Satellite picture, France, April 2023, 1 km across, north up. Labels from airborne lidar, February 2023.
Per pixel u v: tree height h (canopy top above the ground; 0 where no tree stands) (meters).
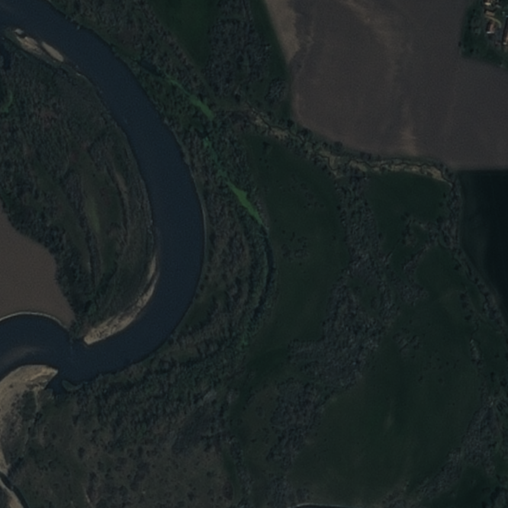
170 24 0
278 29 0
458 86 0
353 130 0
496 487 0
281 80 6
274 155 0
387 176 0
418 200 0
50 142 17
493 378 11
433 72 0
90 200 0
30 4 0
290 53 0
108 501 6
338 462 0
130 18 16
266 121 0
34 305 0
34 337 0
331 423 0
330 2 0
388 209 0
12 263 0
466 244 0
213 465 0
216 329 24
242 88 0
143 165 0
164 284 0
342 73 0
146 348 0
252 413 0
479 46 0
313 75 0
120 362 0
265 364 0
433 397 0
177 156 0
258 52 6
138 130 0
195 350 0
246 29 16
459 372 0
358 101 0
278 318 0
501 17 0
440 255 0
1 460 0
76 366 0
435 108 0
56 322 0
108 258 0
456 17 0
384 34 0
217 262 15
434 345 0
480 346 0
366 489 0
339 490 0
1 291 0
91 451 0
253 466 0
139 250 0
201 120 13
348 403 0
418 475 0
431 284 0
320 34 0
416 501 0
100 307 17
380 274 16
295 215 0
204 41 0
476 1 0
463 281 0
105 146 17
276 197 0
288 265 0
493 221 0
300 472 0
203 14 0
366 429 0
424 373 0
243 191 12
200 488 0
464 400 0
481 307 0
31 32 0
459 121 0
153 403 22
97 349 0
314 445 0
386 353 0
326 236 0
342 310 14
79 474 0
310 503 0
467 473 0
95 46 0
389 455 0
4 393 0
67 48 0
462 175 0
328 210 0
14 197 16
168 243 0
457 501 0
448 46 0
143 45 6
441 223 14
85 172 0
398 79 0
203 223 0
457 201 17
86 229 18
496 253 0
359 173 13
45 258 0
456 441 0
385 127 0
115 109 0
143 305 0
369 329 18
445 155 0
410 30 0
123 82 0
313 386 7
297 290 0
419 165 0
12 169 23
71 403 0
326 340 12
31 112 17
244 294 24
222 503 0
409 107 0
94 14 16
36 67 6
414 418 0
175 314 0
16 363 0
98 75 0
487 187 0
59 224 0
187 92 0
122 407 20
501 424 18
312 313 0
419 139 0
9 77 9
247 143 0
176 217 0
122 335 0
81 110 13
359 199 7
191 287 0
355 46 0
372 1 0
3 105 18
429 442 0
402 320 0
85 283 15
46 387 0
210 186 19
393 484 0
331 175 10
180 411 19
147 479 0
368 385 0
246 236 14
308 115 0
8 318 0
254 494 0
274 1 0
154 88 16
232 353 21
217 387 18
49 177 0
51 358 0
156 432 28
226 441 7
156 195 0
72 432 0
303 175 0
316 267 0
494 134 0
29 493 0
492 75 0
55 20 0
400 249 0
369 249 8
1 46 0
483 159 0
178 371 28
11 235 0
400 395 0
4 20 0
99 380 6
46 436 8
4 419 0
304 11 0
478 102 0
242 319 19
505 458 0
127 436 26
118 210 0
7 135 20
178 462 0
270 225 0
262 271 19
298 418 13
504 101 0
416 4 0
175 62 0
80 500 0
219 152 15
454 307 0
